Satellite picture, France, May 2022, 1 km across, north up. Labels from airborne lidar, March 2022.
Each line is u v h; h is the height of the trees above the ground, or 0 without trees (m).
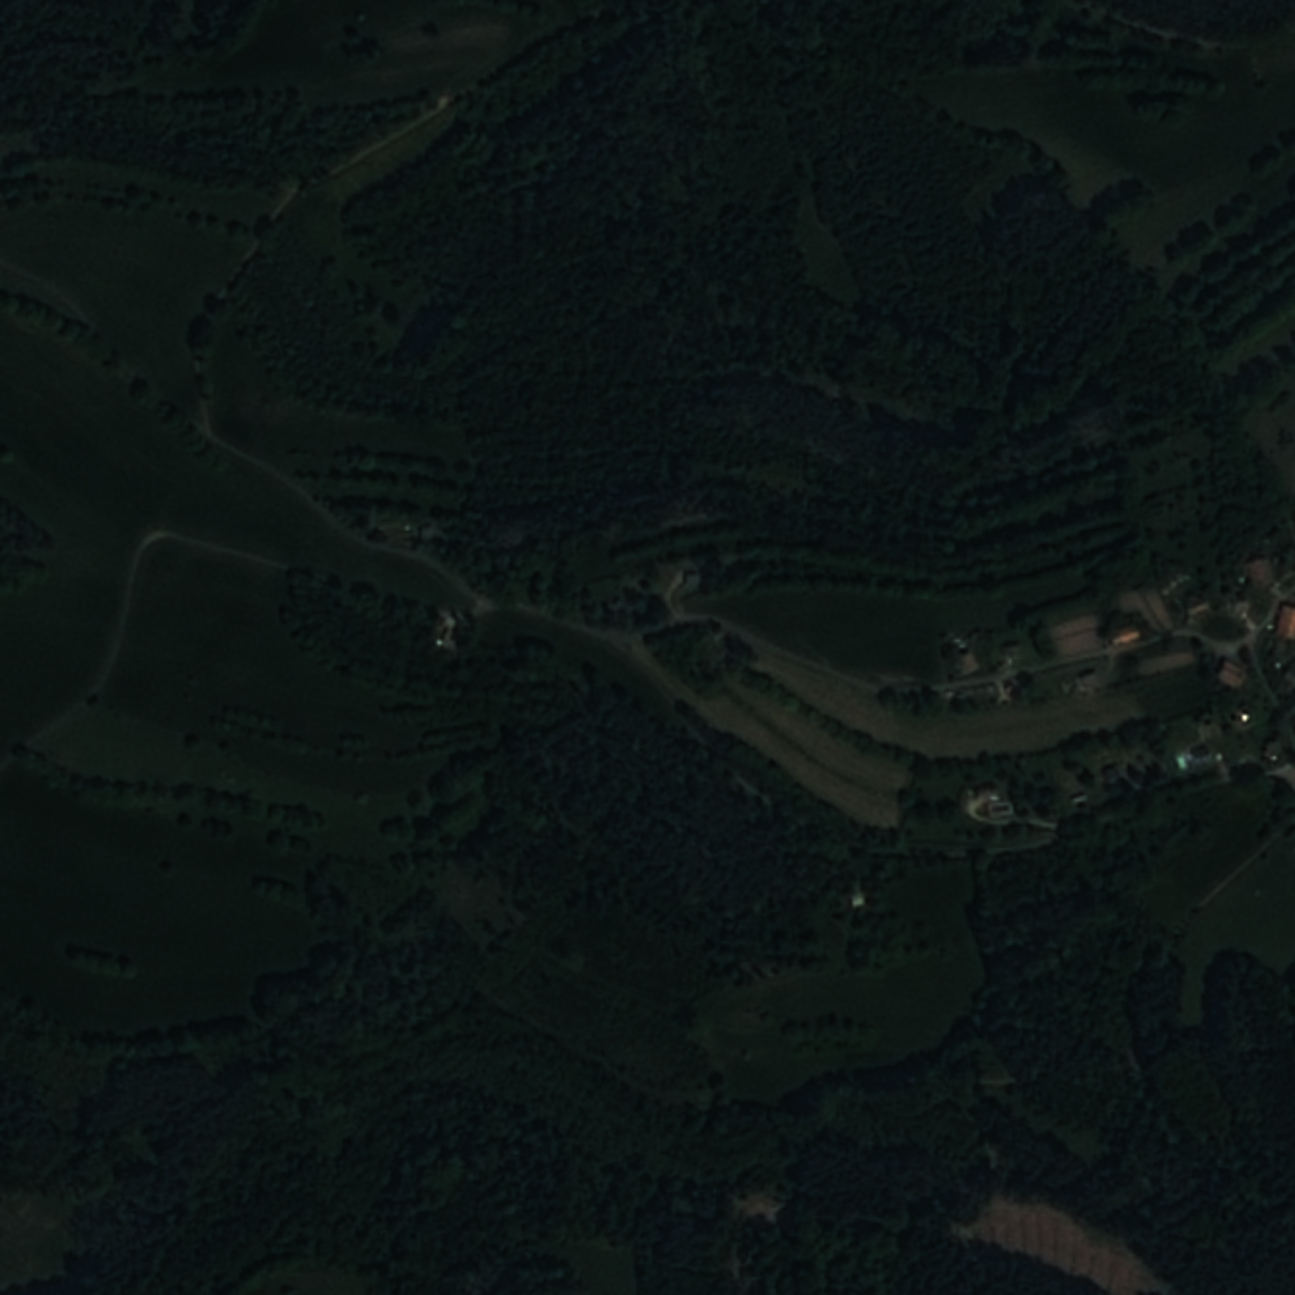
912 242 9
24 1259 0
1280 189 0
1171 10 23
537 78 9
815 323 10
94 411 0
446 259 15
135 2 10
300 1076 29
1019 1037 18
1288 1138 19
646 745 23
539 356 11
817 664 0
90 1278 34
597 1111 19
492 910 0
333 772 0
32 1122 23
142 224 0
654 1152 19
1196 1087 34
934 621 0
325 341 8
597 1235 13
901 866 10
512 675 24
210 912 0
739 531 11
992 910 15
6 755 0
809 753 0
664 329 17
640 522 20
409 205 9
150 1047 18
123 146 12
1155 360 16
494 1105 22
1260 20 24
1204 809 0
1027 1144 27
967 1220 32
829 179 9
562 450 10
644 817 22
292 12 0
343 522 7
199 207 0
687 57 27
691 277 8
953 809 15
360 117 6
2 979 0
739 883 20
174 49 16
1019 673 0
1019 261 26
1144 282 13
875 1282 19
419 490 11
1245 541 8
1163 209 0
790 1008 0
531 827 23
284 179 9
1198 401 14
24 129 14
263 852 0
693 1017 22
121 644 0
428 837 20
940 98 0
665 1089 5
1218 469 7
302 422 0
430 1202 25
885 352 31
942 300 6
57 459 0
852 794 0
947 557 12
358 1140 8
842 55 13
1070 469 11
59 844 0
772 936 8
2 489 0
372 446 0
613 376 13
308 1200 14
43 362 0
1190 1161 18
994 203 0
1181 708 0
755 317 9
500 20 0
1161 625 0
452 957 15
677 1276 12
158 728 0
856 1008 0
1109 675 0
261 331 8
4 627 0
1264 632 0
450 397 9
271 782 0
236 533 0
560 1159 20
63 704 0
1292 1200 22
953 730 0
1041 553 6
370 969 31
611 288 20
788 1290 17
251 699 0
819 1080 0
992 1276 21
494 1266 26
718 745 19
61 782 9
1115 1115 15
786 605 0
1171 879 0
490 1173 16
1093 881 8
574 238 9
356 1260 11
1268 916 0
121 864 0
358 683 7
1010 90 0
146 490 0
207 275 0
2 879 0
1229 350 22
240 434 0
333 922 25
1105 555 8
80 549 0
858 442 25
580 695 20
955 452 29
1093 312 23
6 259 0
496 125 8
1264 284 21
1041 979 7
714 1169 13
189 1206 28
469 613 0
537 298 8
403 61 0
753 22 8
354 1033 25
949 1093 30
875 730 0
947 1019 0
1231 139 0
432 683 14
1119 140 0
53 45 26
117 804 12
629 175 26
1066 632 0
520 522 24
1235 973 18
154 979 0
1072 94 0
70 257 0
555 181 35
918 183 9
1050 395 32
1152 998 27
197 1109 28
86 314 0
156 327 0
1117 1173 29
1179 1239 31
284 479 0
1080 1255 0
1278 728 11
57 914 0
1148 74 20
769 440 6
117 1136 20
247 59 0
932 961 0
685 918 7
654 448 8
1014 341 25
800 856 18
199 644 0
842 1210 35
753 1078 0
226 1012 0
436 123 0
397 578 0
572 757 20
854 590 11
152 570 0
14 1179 23
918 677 0
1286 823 10
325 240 0
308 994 24
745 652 20
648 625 15
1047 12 22
